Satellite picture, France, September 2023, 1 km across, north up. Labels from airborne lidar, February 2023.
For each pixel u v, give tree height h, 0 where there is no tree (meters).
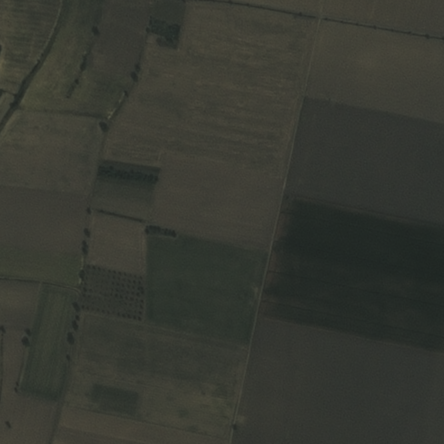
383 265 0
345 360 0
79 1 0
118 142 0
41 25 0
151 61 0
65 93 0
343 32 0
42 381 0
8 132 0
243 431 0
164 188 0
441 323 0
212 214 0
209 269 0
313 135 0
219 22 0
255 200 0
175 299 0
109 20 0
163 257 0
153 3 0
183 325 0
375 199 0
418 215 0
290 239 0
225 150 0
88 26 0
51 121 0
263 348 0
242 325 0
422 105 0
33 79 0
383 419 0
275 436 0
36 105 0
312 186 0
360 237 0
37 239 0
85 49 0
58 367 0
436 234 0
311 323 0
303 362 0
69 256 0
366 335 0
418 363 0
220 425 0
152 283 0
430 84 0
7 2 0
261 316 0
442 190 0
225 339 0
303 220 0
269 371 0
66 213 0
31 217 0
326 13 0
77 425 0
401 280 0
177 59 0
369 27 0
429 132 0
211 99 0
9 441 0
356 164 0
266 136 0
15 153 0
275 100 0
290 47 0
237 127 0
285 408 0
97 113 0
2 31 0
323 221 0
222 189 0
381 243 0
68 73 0
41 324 0
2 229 0
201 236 0
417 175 0
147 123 0
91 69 0
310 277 0
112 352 0
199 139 0
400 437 0
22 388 0
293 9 0
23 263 0
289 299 0
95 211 0
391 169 0
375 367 0
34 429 0
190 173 0
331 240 0
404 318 0
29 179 0
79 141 0
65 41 0
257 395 0
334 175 0
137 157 0
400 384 0
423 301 0
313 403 0
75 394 0
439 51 0
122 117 0
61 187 0
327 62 0
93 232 0
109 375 0
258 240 0
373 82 0
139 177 6
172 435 0
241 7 0
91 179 0
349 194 0
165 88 0
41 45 0
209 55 0
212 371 0
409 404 0
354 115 0
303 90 0
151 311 0
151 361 0
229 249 0
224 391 0
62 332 0
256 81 0
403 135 0
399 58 0
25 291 0
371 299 0
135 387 0
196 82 0
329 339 0
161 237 0
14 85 0
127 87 0
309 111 0
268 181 0
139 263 0
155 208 0
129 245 0
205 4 0
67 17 0
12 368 0
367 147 0
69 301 0
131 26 0
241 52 0
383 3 0
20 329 0
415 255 0
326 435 0
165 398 0
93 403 0
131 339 0
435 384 0
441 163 0
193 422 0
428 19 0
